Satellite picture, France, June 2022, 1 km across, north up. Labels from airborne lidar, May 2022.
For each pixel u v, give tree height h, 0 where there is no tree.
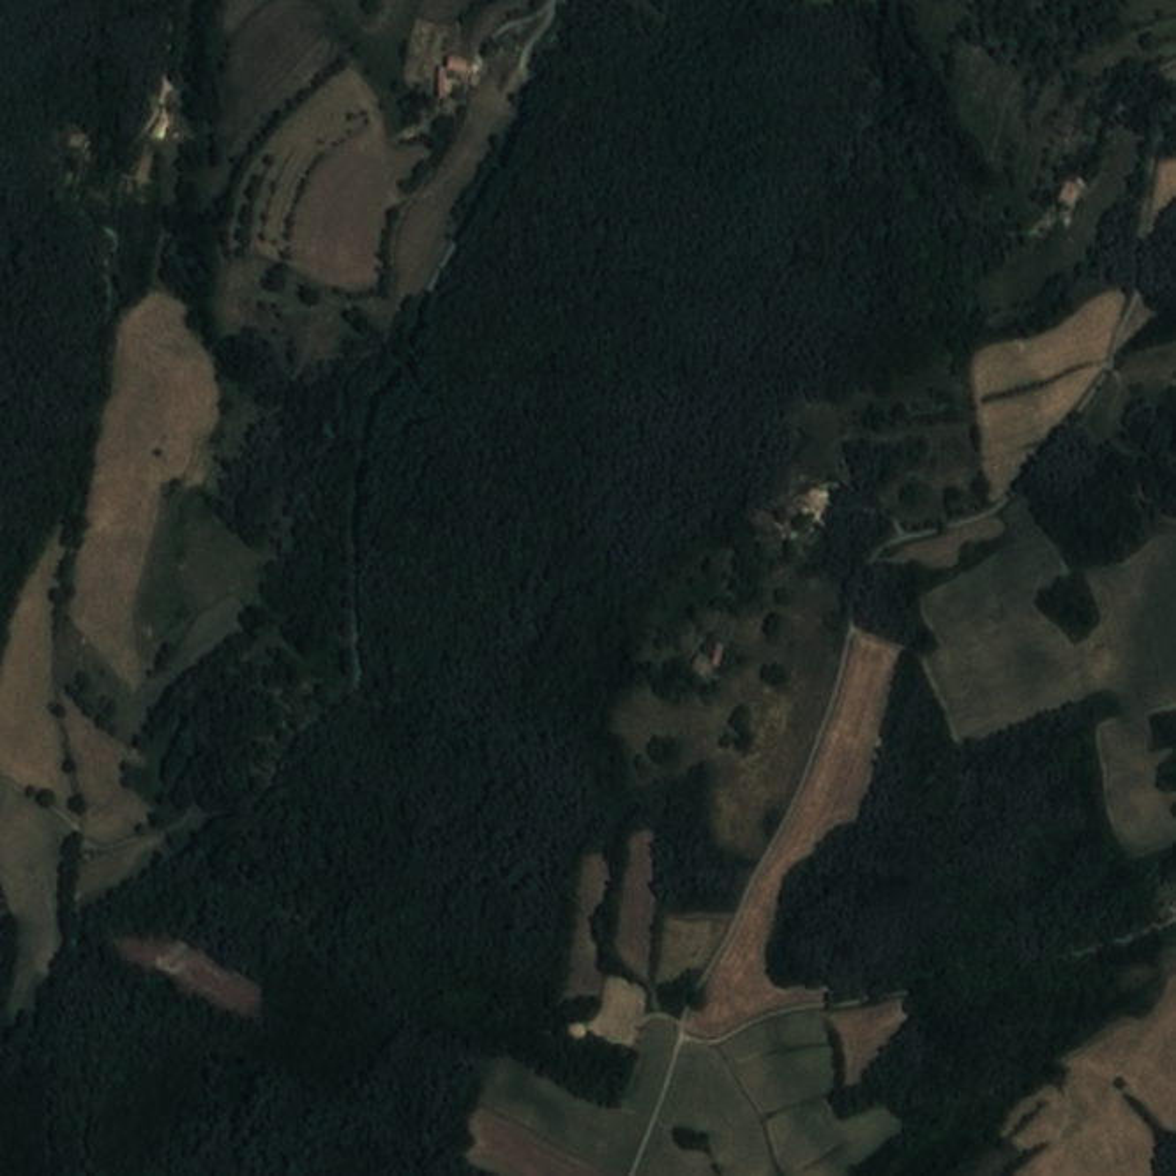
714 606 11
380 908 15
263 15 0
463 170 0
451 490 25
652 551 20
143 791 0
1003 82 0
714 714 0
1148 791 0
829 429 0
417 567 19
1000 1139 8
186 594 0
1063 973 14
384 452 27
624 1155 0
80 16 18
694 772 6
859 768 0
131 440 0
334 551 9
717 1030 0
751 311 21
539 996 7
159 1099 12
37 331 21
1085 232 0
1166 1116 0
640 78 19
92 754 0
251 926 14
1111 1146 0
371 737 18
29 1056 21
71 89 19
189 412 0
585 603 13
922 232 16
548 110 20
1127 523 11
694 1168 0
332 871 12
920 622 7
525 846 23
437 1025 8
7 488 22
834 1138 0
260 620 14
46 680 0
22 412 20
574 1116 0
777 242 19
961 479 0
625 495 14
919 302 20
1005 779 12
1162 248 16
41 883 0
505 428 22
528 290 23
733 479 12
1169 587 0
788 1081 0
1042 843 17
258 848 15
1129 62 12
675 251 18
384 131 0
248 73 0
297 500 12
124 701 0
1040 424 0
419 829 23
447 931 23
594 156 23
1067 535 6
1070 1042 10
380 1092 21
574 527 16
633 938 0
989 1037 22
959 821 12
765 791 0
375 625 11
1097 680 0
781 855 0
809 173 20
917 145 17
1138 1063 0
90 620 0
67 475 19
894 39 32
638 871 0
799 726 0
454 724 19
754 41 13
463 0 0
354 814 23
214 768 20
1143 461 12
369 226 0
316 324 0
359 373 9
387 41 0
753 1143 0
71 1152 12
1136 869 9
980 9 10
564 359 22
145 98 12
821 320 22
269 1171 19
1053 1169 0
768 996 0
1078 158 7
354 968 18
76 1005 21
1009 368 0
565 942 19
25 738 0
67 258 21
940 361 13
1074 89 10
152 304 0
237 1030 7
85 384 21
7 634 12
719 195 17
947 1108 17
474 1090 17
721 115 20
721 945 0
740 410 19
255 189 10
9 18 17
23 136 17
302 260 0
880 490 12
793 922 9
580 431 22
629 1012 0
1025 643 0
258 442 13
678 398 18
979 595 0
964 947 16
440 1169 22
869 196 19
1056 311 16
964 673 0
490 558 18
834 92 19
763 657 0
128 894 15
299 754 18
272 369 6
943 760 7
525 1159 0
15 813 0
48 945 0
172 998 14
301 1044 7
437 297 15
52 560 0
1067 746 11
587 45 20
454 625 17
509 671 22
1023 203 0
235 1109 7
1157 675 0
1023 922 17
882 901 17
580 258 24
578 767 19
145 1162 19
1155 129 19
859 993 12
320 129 0
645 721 0
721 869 9
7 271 26
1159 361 0
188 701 17
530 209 19
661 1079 0
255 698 11
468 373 20
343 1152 23
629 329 22
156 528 0
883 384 14
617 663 7
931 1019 20
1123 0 9
